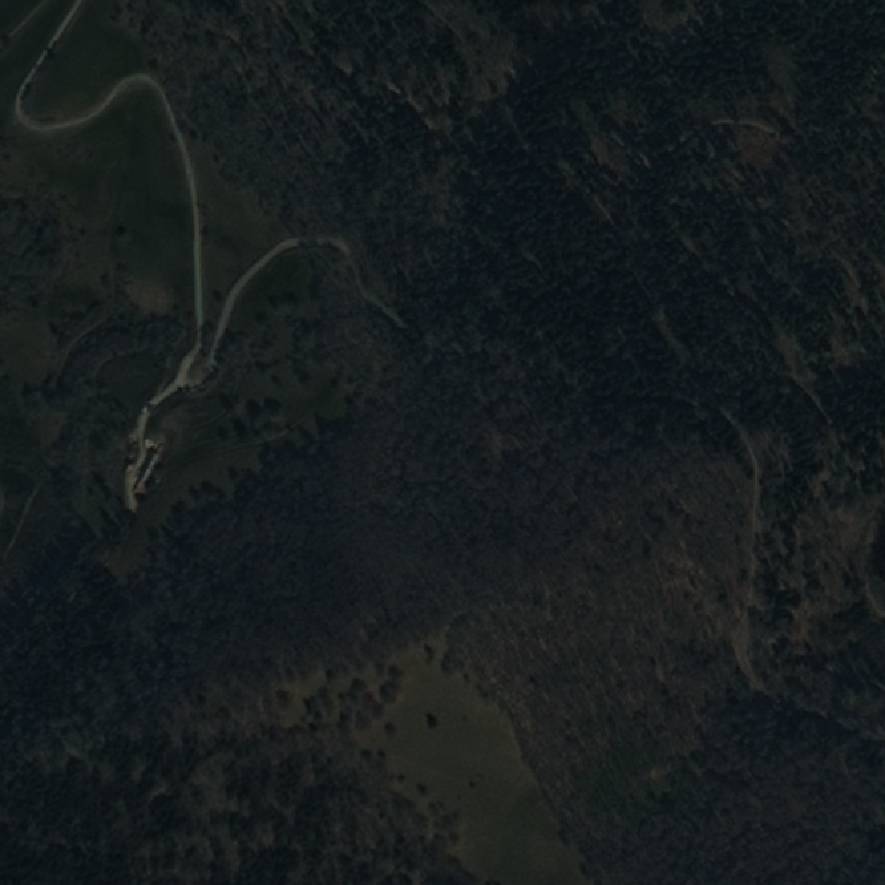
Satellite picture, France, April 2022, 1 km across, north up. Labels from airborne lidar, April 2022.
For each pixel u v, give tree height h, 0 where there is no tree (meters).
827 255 38
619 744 31
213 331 12
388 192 16
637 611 36
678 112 35
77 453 19
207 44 24
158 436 0
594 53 33
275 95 29
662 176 30
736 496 35
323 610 23
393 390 26
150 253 0
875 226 36
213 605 18
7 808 18
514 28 10
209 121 13
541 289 31
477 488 29
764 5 36
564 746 28
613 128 33
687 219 28
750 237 38
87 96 0
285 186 22
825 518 38
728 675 34
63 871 26
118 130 0
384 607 19
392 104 32
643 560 39
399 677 17
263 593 19
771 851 30
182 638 22
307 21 27
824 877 24
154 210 0
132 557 0
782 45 19
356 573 20
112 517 0
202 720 14
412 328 33
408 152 30
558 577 29
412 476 28
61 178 0
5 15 0
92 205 0
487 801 0
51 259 27
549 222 34
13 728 19
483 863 0
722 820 32
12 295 15
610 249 33
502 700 10
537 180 30
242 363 10
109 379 0
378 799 17
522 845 0
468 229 32
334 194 30
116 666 19
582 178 29
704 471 31
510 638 27
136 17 9
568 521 31
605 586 35
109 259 0
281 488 16
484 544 26
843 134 30
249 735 11
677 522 38
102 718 18
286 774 23
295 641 20
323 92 32
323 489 16
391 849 18
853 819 30
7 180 0
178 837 18
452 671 18
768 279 35
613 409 27
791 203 35
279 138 25
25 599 0
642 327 38
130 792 20
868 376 33
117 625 25
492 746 0
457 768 0
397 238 30
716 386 31
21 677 28
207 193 0
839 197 35
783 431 22
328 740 19
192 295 0
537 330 32
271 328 6
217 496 9
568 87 32
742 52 33
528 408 29
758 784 34
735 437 29
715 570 37
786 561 21
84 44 0
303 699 0
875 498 35
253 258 0
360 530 17
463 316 33
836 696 8
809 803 32
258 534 21
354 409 15
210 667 18
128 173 0
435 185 27
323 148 33
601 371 32
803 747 31
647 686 31
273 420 8
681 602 33
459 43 7
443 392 28
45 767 20
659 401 21
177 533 14
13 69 0
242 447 0
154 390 0
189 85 22
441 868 14
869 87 30
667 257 32
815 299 34
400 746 0
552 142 29
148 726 17
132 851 20
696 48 35
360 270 22
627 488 36
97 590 30
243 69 20
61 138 0
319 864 21
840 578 16
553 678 34
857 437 15
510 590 21
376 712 16
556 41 20
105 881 28
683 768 30
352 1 31
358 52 18
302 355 11
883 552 19
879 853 28
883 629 12
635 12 30
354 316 15
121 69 0
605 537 34
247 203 0
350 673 14
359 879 17
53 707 25
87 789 18
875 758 26
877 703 28
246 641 21
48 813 21
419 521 25
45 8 0
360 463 20
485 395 25
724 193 36
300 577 24
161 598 18
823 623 17
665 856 26
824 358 33
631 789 33
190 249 0
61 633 26
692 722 36
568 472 35
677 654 29
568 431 28
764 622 38
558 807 17
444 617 16
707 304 34
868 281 33
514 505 27
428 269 33
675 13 18
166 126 0
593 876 16
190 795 21
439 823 7
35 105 0
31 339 0
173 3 22
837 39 32
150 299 0
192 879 17
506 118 21
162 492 0
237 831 22
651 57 34
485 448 32
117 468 0
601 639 31
